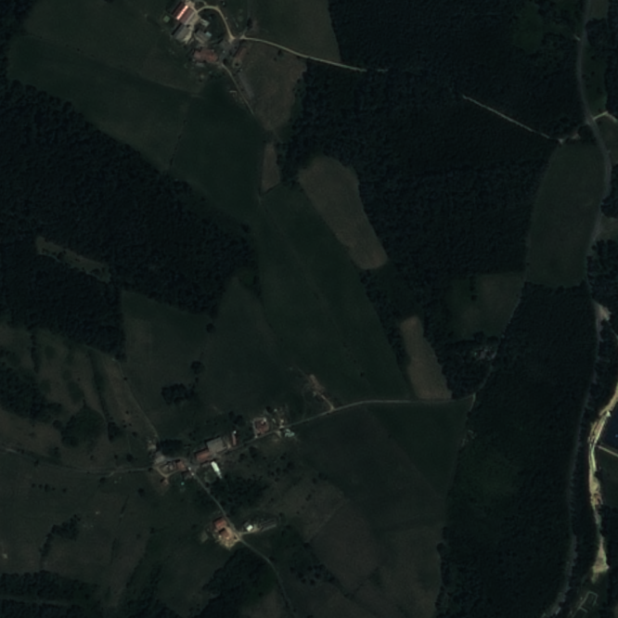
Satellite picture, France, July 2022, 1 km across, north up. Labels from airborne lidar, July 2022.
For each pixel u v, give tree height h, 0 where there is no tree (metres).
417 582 0
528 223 13
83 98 0
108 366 0
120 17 0
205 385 0
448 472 0
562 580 9
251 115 0
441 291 20
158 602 7
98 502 0
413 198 24
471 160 13
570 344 14
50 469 0
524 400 10
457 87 20
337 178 0
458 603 24
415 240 30
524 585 9
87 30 0
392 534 0
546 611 7
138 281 19
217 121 0
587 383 13
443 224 17
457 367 13
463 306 0
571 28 22
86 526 0
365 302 0
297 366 0
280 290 0
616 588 21
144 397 0
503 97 20
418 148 6
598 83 0
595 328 7
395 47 18
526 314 12
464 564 14
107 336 21
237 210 0
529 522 9
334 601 0
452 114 8
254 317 0
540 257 0
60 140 21
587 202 0
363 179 14
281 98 0
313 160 0
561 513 13
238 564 10
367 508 0
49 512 0
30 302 24
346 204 0
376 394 0
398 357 14
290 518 0
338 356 0
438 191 28
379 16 16
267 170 0
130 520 0
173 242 8
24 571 0
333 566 0
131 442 0
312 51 0
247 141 0
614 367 19
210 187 0
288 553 0
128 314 0
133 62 0
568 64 15
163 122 0
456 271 20
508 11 18
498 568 6
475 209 28
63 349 0
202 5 0
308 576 0
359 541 0
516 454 8
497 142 12
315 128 17
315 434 0
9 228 7
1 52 12
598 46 18
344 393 0
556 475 18
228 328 0
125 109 0
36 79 0
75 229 21
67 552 0
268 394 0
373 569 0
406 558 0
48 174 12
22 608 16
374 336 0
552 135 13
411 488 0
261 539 0
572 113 18
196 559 0
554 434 10
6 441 0
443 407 0
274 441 0
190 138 0
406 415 0
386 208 28
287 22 0
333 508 0
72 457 0
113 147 24
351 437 0
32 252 19
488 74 15
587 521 24
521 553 9
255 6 0
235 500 10
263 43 0
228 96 0
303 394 0
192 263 7
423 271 8
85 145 22
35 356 7
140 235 25
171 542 0
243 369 0
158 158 0
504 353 10
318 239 0
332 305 0
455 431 0
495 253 17
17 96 15
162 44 0
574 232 0
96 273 9
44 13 0
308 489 0
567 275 0
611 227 0
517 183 11
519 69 22
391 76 16
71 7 0
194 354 0
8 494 0
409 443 0
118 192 21
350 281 0
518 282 0
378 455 0
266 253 0
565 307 14
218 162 0
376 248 0
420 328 0
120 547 0
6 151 24
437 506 0
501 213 15
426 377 0
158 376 0
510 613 8
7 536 0
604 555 0
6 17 25
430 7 15
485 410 9
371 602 0
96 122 0
